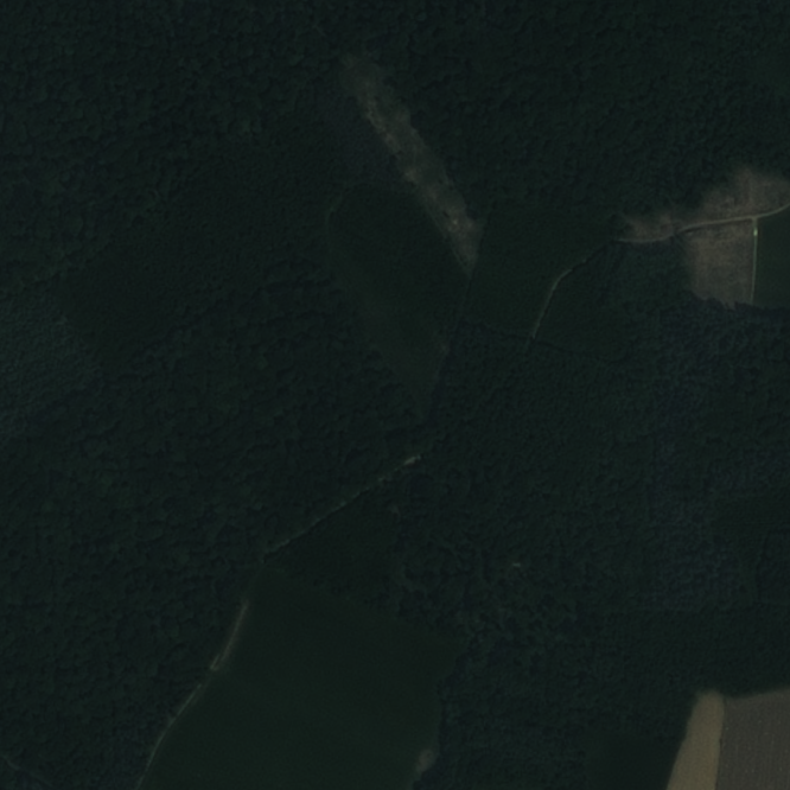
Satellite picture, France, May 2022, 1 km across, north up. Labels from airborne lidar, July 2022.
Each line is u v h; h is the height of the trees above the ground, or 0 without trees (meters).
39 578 29
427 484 27
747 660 20
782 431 31
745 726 0
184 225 15
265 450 28
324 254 31
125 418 32
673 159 27
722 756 0
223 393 30
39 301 9
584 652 25
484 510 23
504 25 29
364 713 0
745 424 25
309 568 8
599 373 18
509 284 7
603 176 25
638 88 27
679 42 26
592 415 19
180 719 0
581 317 7
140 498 34
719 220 0
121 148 27
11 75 26
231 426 28
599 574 26
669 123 26
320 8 28
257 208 16
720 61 10
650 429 18
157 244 16
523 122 20
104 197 28
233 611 24
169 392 29
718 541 12
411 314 6
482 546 27
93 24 18
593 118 25
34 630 29
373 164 22
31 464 29
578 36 28
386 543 9
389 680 0
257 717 0
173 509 34
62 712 27
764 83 11
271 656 0
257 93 25
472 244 0
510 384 22
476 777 26
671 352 25
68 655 30
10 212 33
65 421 28
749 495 9
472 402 24
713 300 0
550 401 21
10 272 27
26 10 29
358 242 12
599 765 0
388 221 10
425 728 0
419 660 0
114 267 15
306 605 0
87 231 29
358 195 10
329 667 0
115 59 24
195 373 28
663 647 22
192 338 29
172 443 29
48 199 27
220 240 14
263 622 0
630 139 27
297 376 26
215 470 31
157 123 28
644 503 20
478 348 23
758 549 7
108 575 33
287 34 27
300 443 31
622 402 24
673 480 24
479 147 25
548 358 18
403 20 30
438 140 34
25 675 29
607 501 25
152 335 13
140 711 25
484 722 23
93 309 13
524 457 18
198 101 26
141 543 14
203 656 22
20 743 30
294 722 0
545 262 9
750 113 21
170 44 26
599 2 12
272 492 23
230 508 31
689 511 15
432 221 8
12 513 31
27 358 14
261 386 30
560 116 27
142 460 32
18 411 12
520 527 23
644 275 29
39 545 33
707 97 10
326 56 28
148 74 25
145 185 21
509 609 22
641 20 24
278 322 28
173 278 15
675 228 0
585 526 19
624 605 23
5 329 13
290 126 20
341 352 28
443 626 22
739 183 0
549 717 28
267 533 27
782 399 28
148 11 19
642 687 29
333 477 30
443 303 10
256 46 26
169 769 0
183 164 24
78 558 29
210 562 27
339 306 28
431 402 0
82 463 34
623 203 22
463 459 28
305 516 28
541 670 24
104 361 16
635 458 23
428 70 34
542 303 6
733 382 16
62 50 22
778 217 0
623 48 25
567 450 20
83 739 20
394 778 0
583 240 9
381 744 0
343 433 26
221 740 0
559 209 22
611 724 21
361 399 27
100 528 25
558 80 29
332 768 0
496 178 26
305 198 18
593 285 13
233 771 0
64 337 13
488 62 19
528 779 17
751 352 27
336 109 25
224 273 19
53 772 18
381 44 31
